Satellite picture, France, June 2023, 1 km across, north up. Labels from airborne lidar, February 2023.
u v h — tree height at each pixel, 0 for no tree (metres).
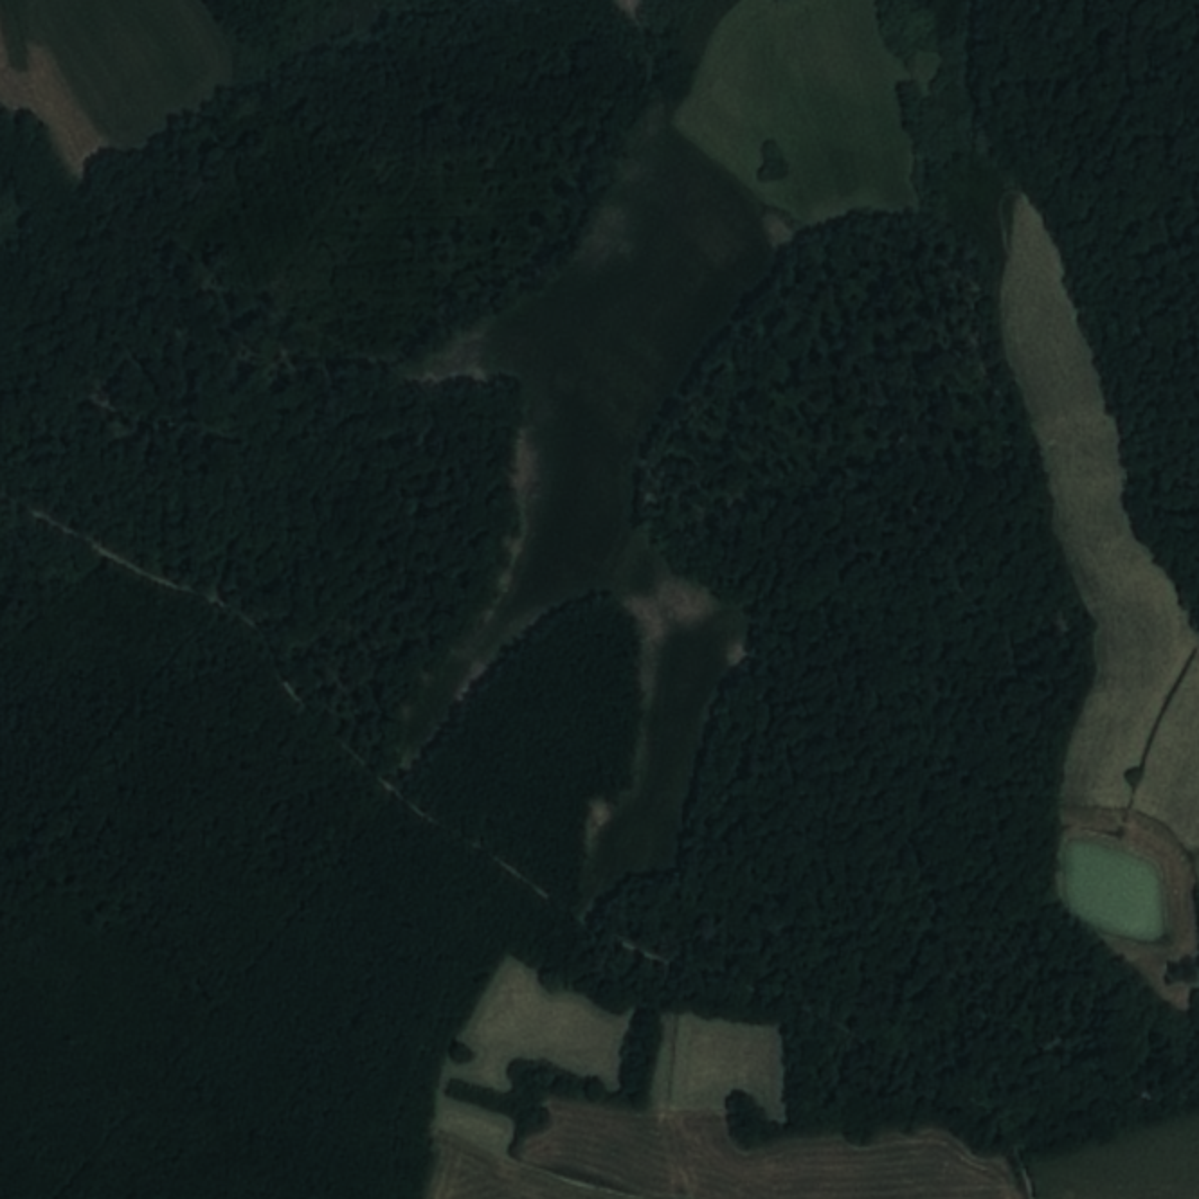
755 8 0
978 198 0
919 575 25
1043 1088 25
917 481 32
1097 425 0
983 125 15
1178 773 0
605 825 0
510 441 21
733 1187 0
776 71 0
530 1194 0
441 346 24
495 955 14
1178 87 27
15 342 22
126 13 0
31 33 0
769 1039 0
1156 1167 0
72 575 17
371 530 31
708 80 0
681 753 0
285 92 21
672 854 0
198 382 27
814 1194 0
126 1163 10
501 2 18
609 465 0
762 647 23
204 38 0
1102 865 0
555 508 0
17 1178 9
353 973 18
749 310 19
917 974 24
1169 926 0
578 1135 0
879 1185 0
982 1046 20
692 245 0
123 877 19
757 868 26
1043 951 21
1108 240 25
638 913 24
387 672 25
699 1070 0
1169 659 0
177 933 19
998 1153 13
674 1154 0
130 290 17
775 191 0
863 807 22
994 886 22
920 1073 18
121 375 32
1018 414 18
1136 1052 12
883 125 0
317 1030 18
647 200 0
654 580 0
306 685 27
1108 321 21
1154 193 24
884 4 6
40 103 0
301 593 25
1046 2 24
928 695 27
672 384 0
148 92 0
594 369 0
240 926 20
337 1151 16
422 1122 12
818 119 0
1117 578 0
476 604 24
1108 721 0
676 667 0
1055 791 17
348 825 20
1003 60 17
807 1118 17
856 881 28
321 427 23
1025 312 0
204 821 20
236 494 23
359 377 27
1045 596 24
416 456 25
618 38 22
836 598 28
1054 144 23
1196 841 0
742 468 28
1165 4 24
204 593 20
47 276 22
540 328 0
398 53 20
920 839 21
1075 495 0
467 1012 12
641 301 0
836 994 22
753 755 24
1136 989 24
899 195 0
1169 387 25
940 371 31
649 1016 18
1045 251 0
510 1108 6
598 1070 0
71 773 11
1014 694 28
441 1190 0
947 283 29
